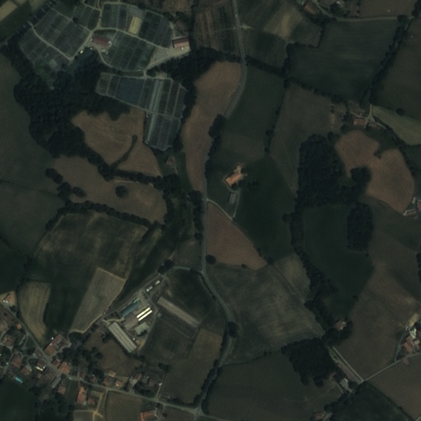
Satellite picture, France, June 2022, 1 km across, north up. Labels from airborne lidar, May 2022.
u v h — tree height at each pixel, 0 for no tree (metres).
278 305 0
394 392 0
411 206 0
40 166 0
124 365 0
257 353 0
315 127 0
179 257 0
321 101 0
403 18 23
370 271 0
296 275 0
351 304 0
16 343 6
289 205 0
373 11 0
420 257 15
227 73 0
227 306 0
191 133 0
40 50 0
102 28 0
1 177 0
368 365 0
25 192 0
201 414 0
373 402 0
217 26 0
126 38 0
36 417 9
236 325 22
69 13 0
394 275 0
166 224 14
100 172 12
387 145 0
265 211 0
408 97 0
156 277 0
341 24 0
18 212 0
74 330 0
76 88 30
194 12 10
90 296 0
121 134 0
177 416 0
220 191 0
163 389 0
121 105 0
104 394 0
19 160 0
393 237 0
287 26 0
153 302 0
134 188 0
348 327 11
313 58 0
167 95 0
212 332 0
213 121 0
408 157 7
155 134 0
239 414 0
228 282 0
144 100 0
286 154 0
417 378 0
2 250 0
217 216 0
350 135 0
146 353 0
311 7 0
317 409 0
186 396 0
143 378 0
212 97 0
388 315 0
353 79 0
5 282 0
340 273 0
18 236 0
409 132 0
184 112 16
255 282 0
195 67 19
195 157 0
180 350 0
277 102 0
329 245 0
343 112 0
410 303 0
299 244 19
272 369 0
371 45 0
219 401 0
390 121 0
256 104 0
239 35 0
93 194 0
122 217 12
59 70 0
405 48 0
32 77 22
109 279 0
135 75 0
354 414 0
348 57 0
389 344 0
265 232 0
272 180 0
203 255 0
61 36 0
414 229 0
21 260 0
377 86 18
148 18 0
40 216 0
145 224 19
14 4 0
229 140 0
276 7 0
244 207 0
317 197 19
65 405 16
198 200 17
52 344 0
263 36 0
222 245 0
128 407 0
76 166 0
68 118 16
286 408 0
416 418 0
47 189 0
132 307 0
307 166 18
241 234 0
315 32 0
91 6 0
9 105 0
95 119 0
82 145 27
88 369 8
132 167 0
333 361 7
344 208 0
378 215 0
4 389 0
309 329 0
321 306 16
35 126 19
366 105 0
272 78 0
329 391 0
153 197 0
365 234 22
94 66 20
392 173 0
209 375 11
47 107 20
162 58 0
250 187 13
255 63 11
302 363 17
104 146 0
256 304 0
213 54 24
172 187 22
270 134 20
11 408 0
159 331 0
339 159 19
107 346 0
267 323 0
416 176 10
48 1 0
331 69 0
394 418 0
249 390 0
